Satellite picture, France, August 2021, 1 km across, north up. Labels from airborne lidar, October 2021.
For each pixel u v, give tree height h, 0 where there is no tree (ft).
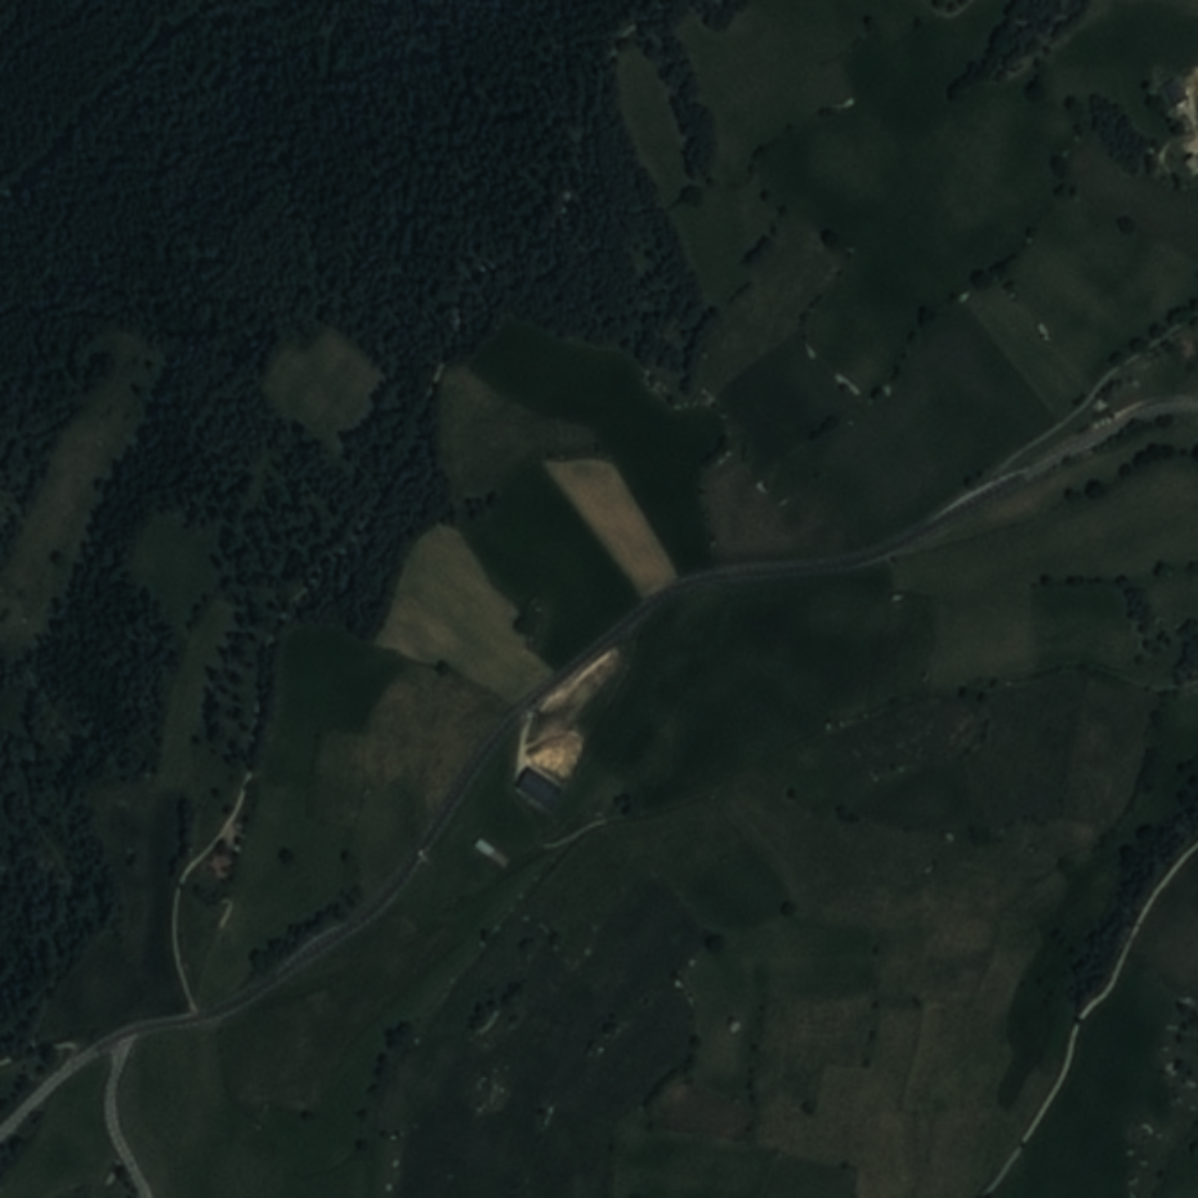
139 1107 0
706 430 0
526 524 0
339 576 48
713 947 35
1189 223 0
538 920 0
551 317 54
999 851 0
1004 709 0
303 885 0
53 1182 0
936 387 0
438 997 0
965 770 0
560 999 0
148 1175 0
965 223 0
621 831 0
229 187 73
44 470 21
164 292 79
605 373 0
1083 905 0
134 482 46
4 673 46
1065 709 0
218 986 0
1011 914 0
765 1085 0
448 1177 0
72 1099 0
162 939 0
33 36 71
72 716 24
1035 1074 0
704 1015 0
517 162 72
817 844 0
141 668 44
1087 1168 0
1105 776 0
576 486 0
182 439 51
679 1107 0
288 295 93
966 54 0
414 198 26
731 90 0
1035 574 0
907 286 0
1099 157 0
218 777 0
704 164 60
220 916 0
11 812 50
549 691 0
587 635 0
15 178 22
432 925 0
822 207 0
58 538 0
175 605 0
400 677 0
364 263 49
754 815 0
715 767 0
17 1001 46
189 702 0
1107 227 0
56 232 51
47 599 0
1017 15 44
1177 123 32
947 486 0
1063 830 0
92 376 70
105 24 70
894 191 0
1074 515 0
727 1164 0
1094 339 0
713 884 0
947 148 0
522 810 0
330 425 0
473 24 32
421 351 46
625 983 0
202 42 80
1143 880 31
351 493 47
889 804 0
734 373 0
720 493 0
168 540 0
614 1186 0
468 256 46
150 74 70
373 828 0
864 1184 0
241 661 67
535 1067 0
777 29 0
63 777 38
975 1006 0
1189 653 37
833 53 0
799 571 0
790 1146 0
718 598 0
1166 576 28
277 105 85
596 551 0
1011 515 0
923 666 0
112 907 38
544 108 51
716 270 0
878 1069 0
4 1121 0
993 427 0
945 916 0
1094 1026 0
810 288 0
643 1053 0
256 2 51
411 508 62
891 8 0
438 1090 0
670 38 54
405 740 0
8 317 53
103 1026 0
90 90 67
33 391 59
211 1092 0
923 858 0
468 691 0
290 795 0
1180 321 44
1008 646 0
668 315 25
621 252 54
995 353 0
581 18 40
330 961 0
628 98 0
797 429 0
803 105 0
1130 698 0
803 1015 0
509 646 0
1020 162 0
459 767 0
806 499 0
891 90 0
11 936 24
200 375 57
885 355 0
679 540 0
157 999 0
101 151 65
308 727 0
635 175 56
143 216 58
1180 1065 32
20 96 84
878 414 0
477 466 0
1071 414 0
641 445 0
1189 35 0
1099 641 0
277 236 64
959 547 0
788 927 0
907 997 0
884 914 0
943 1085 0
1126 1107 0
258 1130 0
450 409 0
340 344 0
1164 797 0
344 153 58
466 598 0
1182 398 0
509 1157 0
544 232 56
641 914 0
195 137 72
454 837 0
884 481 0
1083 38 0
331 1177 0
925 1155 0
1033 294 0
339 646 0
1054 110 0
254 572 71
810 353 0
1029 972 0
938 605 0
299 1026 0
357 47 23
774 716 0
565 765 0
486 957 0
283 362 0
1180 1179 0
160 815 0
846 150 0
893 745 0
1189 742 0
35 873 52
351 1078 0
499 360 0
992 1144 0
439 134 68
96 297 97
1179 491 0
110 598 33
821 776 0
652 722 0
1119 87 0
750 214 0
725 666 0
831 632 0
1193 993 0
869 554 0
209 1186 0
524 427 0
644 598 0
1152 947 0
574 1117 0
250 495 78
